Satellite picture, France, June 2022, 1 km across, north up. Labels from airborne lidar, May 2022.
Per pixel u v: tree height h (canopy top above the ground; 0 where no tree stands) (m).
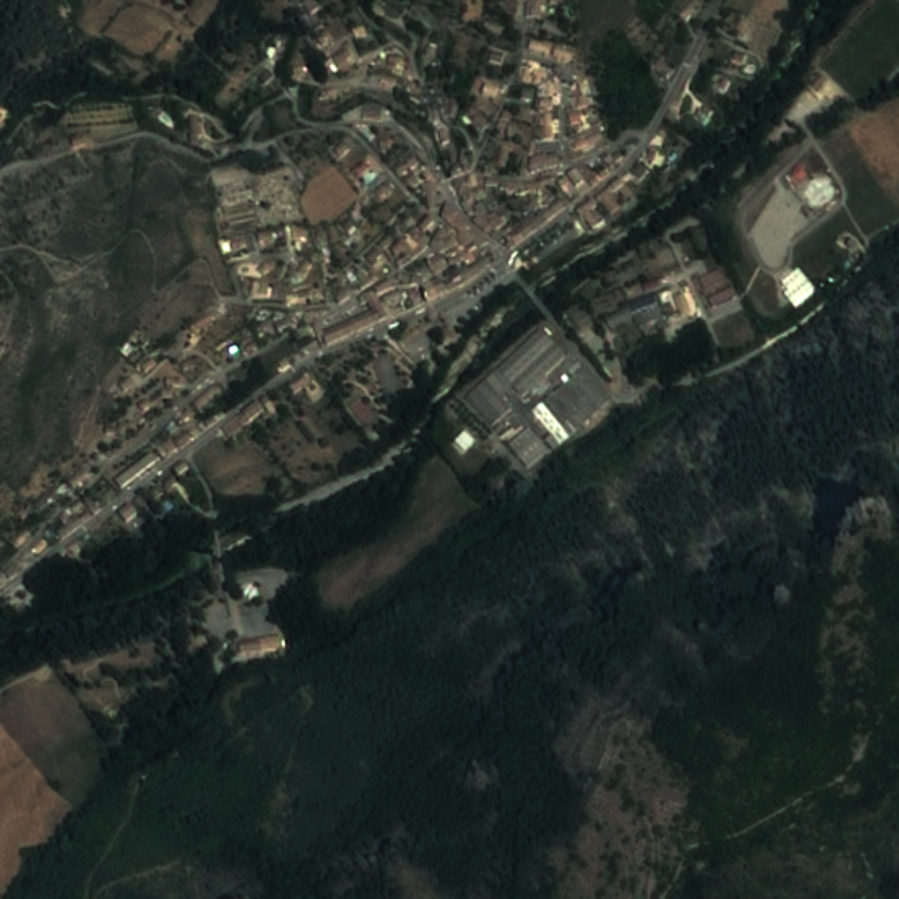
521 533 8
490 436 8
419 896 0
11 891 11
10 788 0
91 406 0
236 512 12
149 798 11
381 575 0
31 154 9
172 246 0
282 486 8
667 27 7
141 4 0
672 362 9
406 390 11
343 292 0
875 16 0
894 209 0
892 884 9
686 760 7
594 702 0
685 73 0
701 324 6
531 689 12
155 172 0
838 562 0
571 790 10
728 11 9
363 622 18
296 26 6
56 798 0
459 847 8
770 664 8
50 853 12
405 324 12
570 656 13
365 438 13
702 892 7
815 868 0
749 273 0
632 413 10
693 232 8
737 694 10
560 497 8
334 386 11
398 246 0
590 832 0
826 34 15
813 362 10
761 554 10
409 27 11
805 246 0
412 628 8
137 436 10
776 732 7
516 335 8
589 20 0
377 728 7
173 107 12
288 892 8
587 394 0
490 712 10
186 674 15
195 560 0
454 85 9
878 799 6
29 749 0
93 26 0
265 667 8
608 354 11
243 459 0
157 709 25
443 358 16
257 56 9
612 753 0
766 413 10
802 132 14
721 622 6
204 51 8
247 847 19
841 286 7
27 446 0
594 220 0
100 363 0
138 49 0
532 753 10
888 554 10
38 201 0
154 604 15
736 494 8
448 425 0
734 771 6
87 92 13
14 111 19
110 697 0
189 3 8
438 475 0
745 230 0
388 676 10
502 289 11
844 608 6
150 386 8
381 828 6
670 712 7
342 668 9
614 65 8
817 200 0
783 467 8
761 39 0
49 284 0
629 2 0
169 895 0
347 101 9
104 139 0
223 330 0
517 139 11
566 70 0
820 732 6
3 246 0
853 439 12
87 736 0
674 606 7
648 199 7
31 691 0
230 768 9
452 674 6
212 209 9
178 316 0
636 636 7
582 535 12
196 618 21
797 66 15
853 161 0
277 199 0
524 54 0
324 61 8
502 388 0
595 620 7
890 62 0
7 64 15
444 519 0
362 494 9
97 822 6
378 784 7
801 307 6
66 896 5
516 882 8
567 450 0
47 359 0
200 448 0
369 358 9
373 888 6
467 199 0
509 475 8
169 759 9
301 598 12
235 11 10
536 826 9
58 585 14
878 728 7
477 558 9
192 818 15
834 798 8
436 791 9
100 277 0
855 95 0
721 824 7
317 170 0
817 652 6
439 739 9
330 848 7
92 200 0
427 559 6
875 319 8
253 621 0
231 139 7
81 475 0
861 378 8
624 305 9
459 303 0
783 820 7
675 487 7
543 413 0
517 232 0
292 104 8
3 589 0
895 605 8
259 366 14
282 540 25
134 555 21
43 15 18
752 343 9
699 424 8
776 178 0
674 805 0
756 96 8
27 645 14
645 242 11
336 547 14
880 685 7
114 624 30
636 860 0
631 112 8
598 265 11
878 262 15
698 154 23
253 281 0
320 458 0
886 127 0
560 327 6
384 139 0
